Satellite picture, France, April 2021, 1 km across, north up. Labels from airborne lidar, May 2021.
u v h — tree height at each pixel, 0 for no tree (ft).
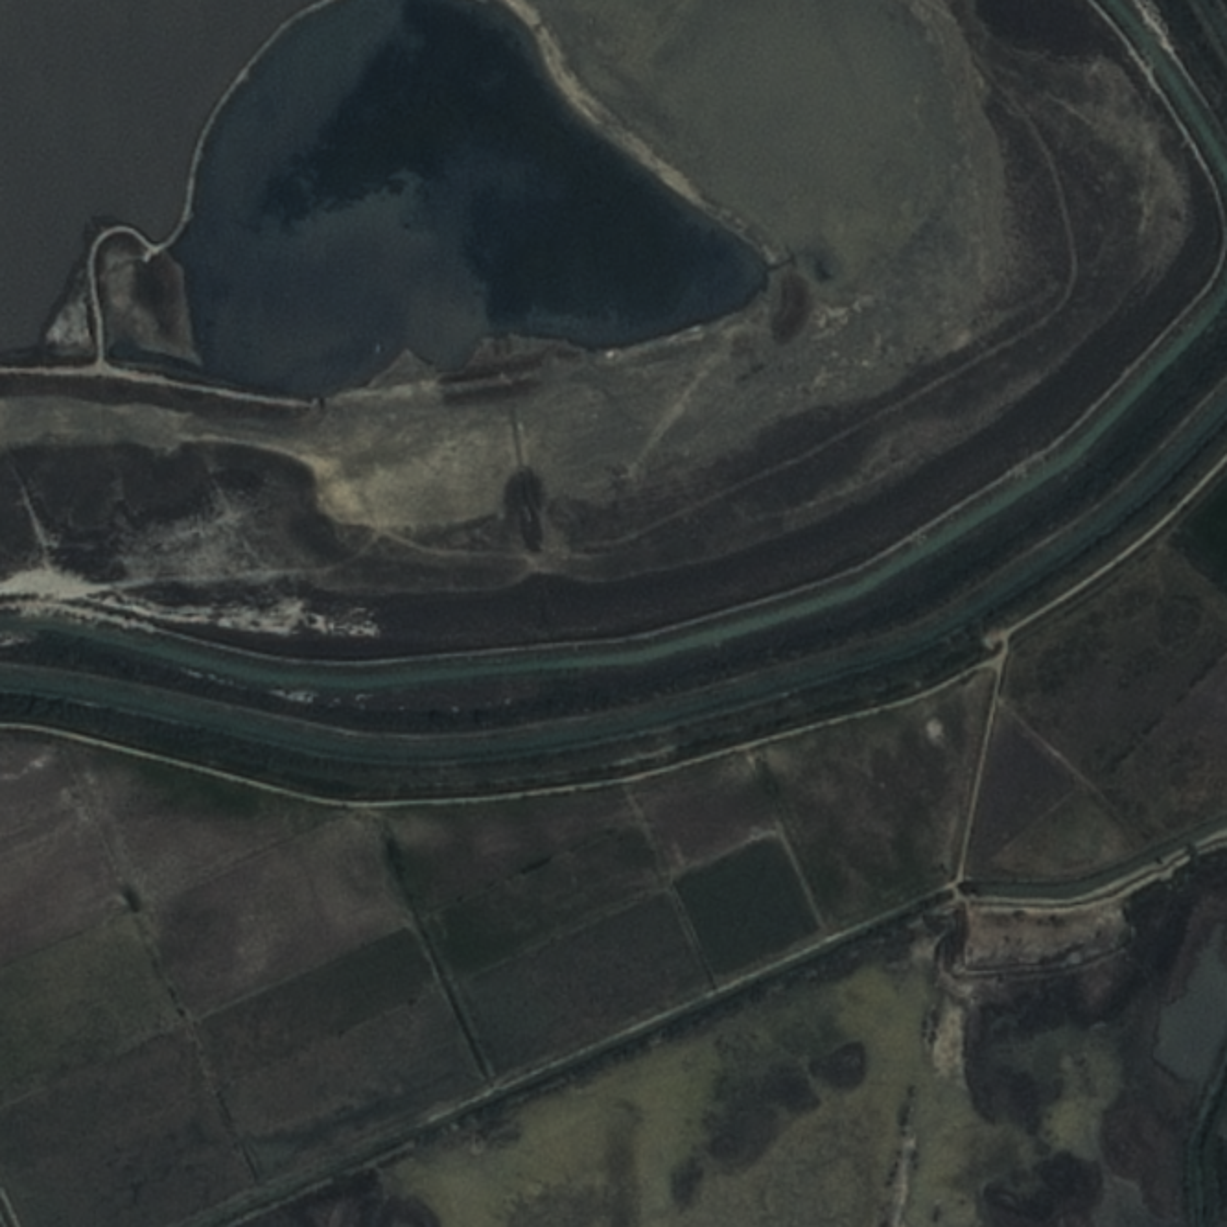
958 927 0
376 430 0
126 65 0
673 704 0
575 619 0
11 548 0
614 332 0
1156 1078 0
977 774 0
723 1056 0
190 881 0
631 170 0
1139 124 0
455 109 0
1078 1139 0
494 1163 0
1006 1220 0
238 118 0
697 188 0
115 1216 0
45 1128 0
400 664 0
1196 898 0
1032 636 0
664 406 0
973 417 0
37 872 0
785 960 0
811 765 0
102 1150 0
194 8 0
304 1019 0
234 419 0
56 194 0
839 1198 0
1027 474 0
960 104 0
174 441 0
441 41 0
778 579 0
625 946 0
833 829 0
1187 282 0
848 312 0
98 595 0
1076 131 0
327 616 0
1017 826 0
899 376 0
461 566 0
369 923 0
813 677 0
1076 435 0
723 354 0
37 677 0
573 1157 0
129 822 0
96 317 0
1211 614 0
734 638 0
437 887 0
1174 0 20
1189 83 0
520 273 0
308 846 0
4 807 0
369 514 0
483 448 0
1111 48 0
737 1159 0
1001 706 0
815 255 0
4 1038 0
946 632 0
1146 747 0
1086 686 0
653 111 0
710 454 0
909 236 0
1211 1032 0
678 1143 0
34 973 0
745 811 0
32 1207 0
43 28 0
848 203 0
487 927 0
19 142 0
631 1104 0
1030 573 0
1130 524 19
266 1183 0
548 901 0
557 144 0
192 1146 0
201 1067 0
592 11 0
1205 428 0
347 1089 0
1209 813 0
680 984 0
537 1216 0
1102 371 0
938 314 0
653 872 0
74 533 0
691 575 0
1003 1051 0
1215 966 0
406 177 0
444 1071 0
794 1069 0
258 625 0
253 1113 0
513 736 0
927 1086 0
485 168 0
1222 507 0
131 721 18
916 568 0
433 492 0
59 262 0
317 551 0
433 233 0
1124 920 0
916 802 0
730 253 0
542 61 0
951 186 0
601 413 0
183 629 0
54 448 0
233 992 0
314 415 0
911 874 0
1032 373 0
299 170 0
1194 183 0
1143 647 0
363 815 0
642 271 0
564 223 0
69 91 0
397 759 0
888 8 0
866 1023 0
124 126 0
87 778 0
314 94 0
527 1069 0
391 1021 0
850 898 0
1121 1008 0
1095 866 0
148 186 0
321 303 0
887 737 0
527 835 0
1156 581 0
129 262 0
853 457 0
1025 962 0
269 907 0
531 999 0
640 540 0
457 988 0
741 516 0
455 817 0
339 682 0
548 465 0
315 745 0
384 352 0
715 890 0
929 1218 0
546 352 0
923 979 0
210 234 0
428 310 0
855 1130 0
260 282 0
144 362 0
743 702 0
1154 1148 0
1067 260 0
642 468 0
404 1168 0
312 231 0
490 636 0
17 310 0
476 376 0
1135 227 0
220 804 0
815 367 0
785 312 0
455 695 0
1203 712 0
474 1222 0
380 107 0
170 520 0
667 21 0
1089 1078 0
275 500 0
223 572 0
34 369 0
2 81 0
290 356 0
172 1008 0
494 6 0
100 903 0
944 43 0
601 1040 0
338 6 0
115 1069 0
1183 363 0
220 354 0
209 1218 0
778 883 0
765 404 0
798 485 0
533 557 0
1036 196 0
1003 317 0
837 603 0
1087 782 0
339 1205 0
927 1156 0
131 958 0
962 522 0
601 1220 0
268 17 0
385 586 0
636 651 0
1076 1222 0
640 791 0
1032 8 0
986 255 0
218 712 0
